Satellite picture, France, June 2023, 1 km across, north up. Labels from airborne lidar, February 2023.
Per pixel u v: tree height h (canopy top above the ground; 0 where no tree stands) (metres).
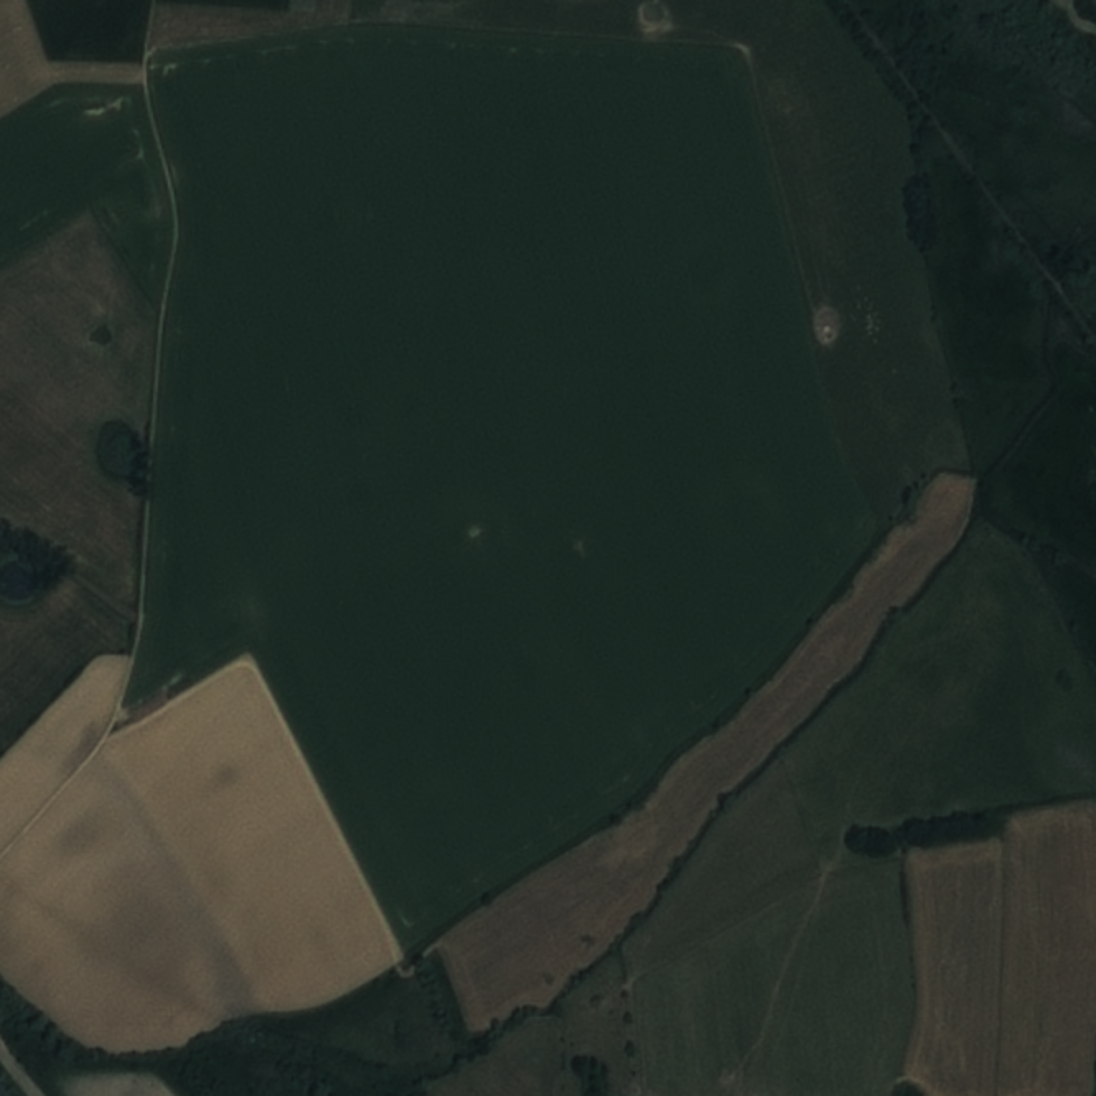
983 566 0
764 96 0
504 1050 0
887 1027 0
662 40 0
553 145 0
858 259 0
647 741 0
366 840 0
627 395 0
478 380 0
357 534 0
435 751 0
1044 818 0
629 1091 0
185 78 0
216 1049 0
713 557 0
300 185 0
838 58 0
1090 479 0
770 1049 0
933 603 0
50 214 0
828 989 0
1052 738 0
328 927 0
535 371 0
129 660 0
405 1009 0
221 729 0
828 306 0
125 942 0
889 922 0
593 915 0
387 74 0
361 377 0
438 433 0
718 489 0
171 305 0
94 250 0
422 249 0
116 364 0
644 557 0
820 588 0
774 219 0
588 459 0
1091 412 0
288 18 0
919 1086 0
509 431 0
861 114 0
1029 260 6
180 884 0
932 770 0
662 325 0
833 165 0
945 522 0
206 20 0
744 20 0
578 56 0
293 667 0
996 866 0
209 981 0
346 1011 0
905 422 0
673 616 0
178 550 0
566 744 0
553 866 0
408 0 0
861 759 0
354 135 0
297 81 0
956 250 0
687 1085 0
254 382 0
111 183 0
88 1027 0
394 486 0
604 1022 0
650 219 0
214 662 0
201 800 0
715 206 0
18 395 0
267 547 0
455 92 0
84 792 0
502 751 0
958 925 0
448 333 0
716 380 0
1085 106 0
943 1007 0
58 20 0
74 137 0
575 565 0
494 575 0
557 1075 0
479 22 0
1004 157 0
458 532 0
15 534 32
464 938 0
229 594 0
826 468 0
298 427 0
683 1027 0
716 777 0
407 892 0
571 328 0
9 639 0
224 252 0
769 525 0
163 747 0
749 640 0
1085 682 0
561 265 0
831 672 0
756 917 0
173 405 0
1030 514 0
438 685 0
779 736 0
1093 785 0
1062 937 0
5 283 0
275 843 0
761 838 0
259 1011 0
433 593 0
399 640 0
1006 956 0
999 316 0
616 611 0
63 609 0
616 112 0
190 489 0
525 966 0
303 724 0
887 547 0
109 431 0
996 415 0
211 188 0
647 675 0
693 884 0
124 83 0
